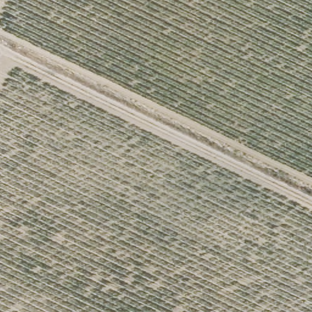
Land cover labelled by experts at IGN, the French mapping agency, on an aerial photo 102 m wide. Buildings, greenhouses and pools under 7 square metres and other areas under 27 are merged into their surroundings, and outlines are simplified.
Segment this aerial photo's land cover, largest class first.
<instances>
[{"label":"vineyard","instance_id":"1","mask_svg":"<svg viewBox=\"0 0 312 312\"><path fill-rule=\"evenodd\" d=\"M0 28L312 178V0H0ZM0 312H312V211L277 191L263 188L251 179H245L243 175L219 166L218 163L207 160L195 152L183 149L182 146L113 115L89 101L79 99L68 91L57 88L56 85L46 83L23 71L22 68L11 69L0 90Z\"/></svg>","mask_w":312,"mask_h":312},{"label":"pervious surface","instance_id":"2","mask_svg":"<svg viewBox=\"0 0 312 312\"><path fill-rule=\"evenodd\" d=\"M22 68L23 71L46 83L56 85L57 88L68 91L79 99L89 101L113 115L182 146L183 149L195 152L207 160L218 163L219 166L243 175L245 179H251L263 188L277 191L312 211V196L189 135L165 126L154 118L135 111L134 108L97 93L0 43V90L11 69Z\"/></svg>","mask_w":312,"mask_h":312},{"label":"plowed land","instance_id":"3","mask_svg":"<svg viewBox=\"0 0 312 312\"><path fill-rule=\"evenodd\" d=\"M0 35L11 39L17 45H23L26 50L37 52L38 56L45 58L52 65L69 68V71L90 83L102 84L101 89L111 91L116 96L168 119L169 122L189 128L191 132L206 136L225 149H238L253 155L252 161L257 165L282 169L290 174L292 182L312 190V178L0 28Z\"/></svg>","mask_w":312,"mask_h":312},{"label":"herbaceous vegetation","instance_id":"4","mask_svg":"<svg viewBox=\"0 0 312 312\"><path fill-rule=\"evenodd\" d=\"M0 43L97 93L134 108L135 111L154 118L165 126L189 135L312 196V190L292 182L290 174L282 169L257 165L252 161L253 155L238 149H225L206 136L191 132L189 128L169 122L168 119L116 96L111 91L101 89L102 84L90 83L69 71V68L52 65L45 58L38 56L37 52L26 50L23 45H17L11 39L0 35Z\"/></svg>","mask_w":312,"mask_h":312}]
</instances>
